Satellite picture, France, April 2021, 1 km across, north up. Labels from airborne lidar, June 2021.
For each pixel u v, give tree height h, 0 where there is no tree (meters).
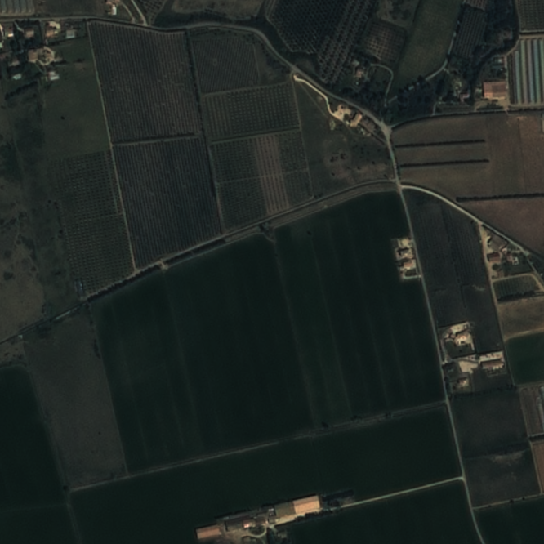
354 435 0
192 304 0
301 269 0
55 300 0
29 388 0
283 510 0
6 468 0
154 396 0
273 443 0
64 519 0
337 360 0
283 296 0
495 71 6
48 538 0
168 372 0
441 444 0
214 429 0
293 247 0
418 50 0
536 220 0
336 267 0
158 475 0
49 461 0
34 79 7
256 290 0
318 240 0
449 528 0
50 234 0
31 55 0
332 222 0
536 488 0
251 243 0
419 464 0
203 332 0
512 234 0
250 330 0
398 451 0
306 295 0
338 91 6
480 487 0
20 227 0
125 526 0
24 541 0
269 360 0
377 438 0
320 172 0
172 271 0
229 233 0
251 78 0
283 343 0
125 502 0
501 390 5
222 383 0
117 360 0
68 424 0
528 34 7
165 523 0
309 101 0
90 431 0
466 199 8
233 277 0
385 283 0
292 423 0
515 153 0
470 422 0
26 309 0
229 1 0
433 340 0
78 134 0
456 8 0
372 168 0
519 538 0
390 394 0
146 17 0
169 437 0
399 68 0
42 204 0
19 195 0
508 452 9
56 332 0
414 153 0
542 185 0
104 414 0
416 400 0
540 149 0
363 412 0
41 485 0
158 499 0
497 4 6
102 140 0
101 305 0
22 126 0
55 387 0
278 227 0
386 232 0
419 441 0
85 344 0
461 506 0
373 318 0
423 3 0
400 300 0
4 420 0
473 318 0
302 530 0
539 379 0
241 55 0
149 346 0
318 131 0
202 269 0
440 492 0
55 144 0
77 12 0
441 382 0
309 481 0
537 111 7
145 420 0
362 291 0
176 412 0
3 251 0
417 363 0
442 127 0
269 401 0
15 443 0
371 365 0
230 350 0
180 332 0
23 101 0
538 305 0
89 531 0
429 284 0
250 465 0
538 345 0
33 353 0
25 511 0
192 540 0
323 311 0
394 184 0
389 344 0
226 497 0
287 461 0
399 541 0
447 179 0
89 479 0
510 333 0
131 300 0
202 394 0
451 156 0
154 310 0
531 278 0
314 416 0
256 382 0
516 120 0
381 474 0
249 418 0
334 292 0
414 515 0
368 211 0
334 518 0
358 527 0
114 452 0
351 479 0
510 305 0
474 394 9
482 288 0
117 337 0
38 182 0
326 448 0
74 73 0
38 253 0
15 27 7
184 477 0
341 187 0
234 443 0
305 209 0
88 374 0
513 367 0
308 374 0
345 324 0
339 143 0
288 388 0
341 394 0
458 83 0
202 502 0
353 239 0
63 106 0
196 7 0
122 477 0
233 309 0
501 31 12
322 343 0
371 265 0
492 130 0
